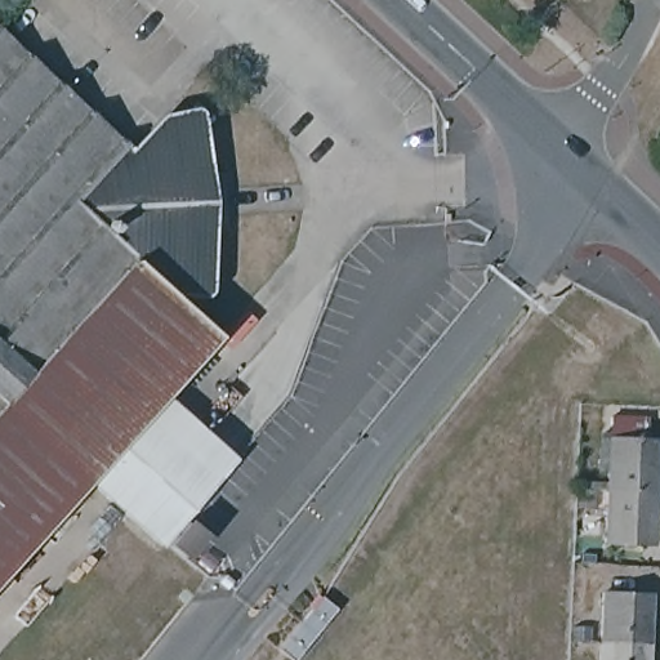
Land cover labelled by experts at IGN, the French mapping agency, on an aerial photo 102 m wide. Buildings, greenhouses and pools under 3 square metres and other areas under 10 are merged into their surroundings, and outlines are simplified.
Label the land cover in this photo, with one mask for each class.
<instances>
[{"label":"impervious surface","instance_id":"1","mask_svg":"<svg viewBox=\"0 0 660 660\"><path fill-rule=\"evenodd\" d=\"M660 21V0H634V21H624L614 46L608 62L588 67V62L575 52V46L567 39H562L554 28H547L541 31V36L552 41L575 64V70L557 77H547L529 67L523 57H518L503 41L505 36L498 34L492 23H487L464 0H34L31 8L23 13V21L10 18L0 10V23L10 36L21 41L23 49L41 59L67 88H72L129 142H139L150 131V124L162 129L165 121L178 119V103L186 95H193L191 85L196 72L201 70L209 59H214L217 64L229 62L235 70H242L248 77L245 95L250 101L289 139L302 178L291 180L289 186L255 183L250 191H255L258 199L253 204H240V219L302 209V229L294 253L276 271L273 281L263 284V289L253 296L255 304L250 309V317L235 333L224 330L214 340V348L206 353V358L219 356V364L201 379L199 387L188 384L183 389L180 405L191 410L211 433H217L240 456V461L232 469V474L222 480V485L214 490L201 513L193 516L188 526L168 547L193 572L201 575V583L196 590L180 593L178 614L165 624L160 637L142 652L139 660H258L255 650L271 632L250 629V616H258V608H250V603L268 590L273 596H289L307 575H312L320 567V562L333 552L340 536L356 521L358 510L364 508L384 469L394 461L397 454L405 451L413 436L423 428L433 410L454 389V384L467 374V369L480 358V353L510 322L516 312L531 307L541 315H549L567 296L583 291L590 299H598L603 307L614 309L616 315L629 317L639 327H645L652 345L660 351V134L650 139L647 155L639 150L634 155L624 147L626 139L634 137L637 116L632 95L624 88V83L634 72L652 28ZM611 438H660V415L655 410L616 413L614 425L603 433L601 449L593 451L588 461L590 469L606 474L611 469ZM126 526L124 516V508L108 500L95 482L83 495V500L70 508L67 518L46 536V541L36 544L23 557V562L13 570L5 588L0 590V652L21 629H26L44 611V606L52 603L54 596H62L59 585L77 583L83 575L93 570L95 559H103V552L95 547L108 534V529L121 531ZM611 503V492L603 487L601 503L590 516L583 518L585 536L575 541V554H570L575 570H583L590 562L624 567H660V544L647 547L645 557H629V552H624L621 547L601 549L596 544L593 536L598 534V518L608 516Z\"/></svg>","mask_w":660,"mask_h":660},{"label":"herbaceous vegetation","instance_id":"2","mask_svg":"<svg viewBox=\"0 0 660 660\"><path fill-rule=\"evenodd\" d=\"M518 10H531L534 18L541 21L547 28H554L562 39H567L575 46V52L588 62V67L608 62L614 46L608 41H601L598 23L616 10V5L624 8V21H634V0H510ZM624 88L632 95L637 116L634 137L626 139L624 147L634 155L639 150L647 155L650 139L660 134V21L652 28L634 72L624 83ZM529 67L547 77H557L575 70V64L552 41L541 36L534 44L531 54L523 57ZM211 80L201 70L196 72L191 85L193 95H186L178 103V108L206 106L214 119L224 201L219 289L224 309L214 322L224 330L235 333L250 317V309L255 304L253 296L263 289V284L273 281L276 271L294 253L302 229V209L240 219V204H253L258 199L255 191H250L255 183L289 186L291 180L302 178L289 139L250 101L242 103V108L229 119L209 95ZM655 410L660 415V351L652 345L645 327H639L629 317L616 315L614 309L603 307L598 299H590L583 291L567 296L549 315H541L531 307L516 312L510 322L480 353V358L467 369V374L454 384V389L433 410L423 428L413 436L405 451L397 454L394 461L384 469L364 508L358 510L356 521L340 536L333 552L320 562V567L312 575H307L289 596H273L268 590L250 603V608H258V616H250V629L271 632L255 650L258 660H286L284 655H278V645L302 621L315 598L333 601L338 611L299 660H598V624L606 619L608 590L657 596L655 660H660V567H624L590 562L583 570H575L570 554H575V541L585 536L583 518L590 516L601 503L603 487L608 482L606 474L590 469L588 461L593 451L601 449L603 433L614 425L616 413ZM126 526L121 531L108 529V534L95 547L103 552V559H95L93 570L83 575L77 583L59 585L62 596H54L52 603L44 606V611L26 629H21L0 652V660H139L142 652L160 637L165 624L178 614L180 593L196 590L201 583V575L193 572L168 547L155 544L134 521L124 516Z\"/></svg>","mask_w":660,"mask_h":660},{"label":"building","instance_id":"3","mask_svg":"<svg viewBox=\"0 0 660 660\"><path fill-rule=\"evenodd\" d=\"M178 119L165 121L162 129L150 124V131L139 142H129L72 88H67L41 59L23 49L21 41L10 36L0 23V590L5 588L13 570L23 562V557L36 544L46 541V536L67 518L70 508L83 500V495L95 482L108 500L124 508V516L134 521L155 544L168 547L188 526L193 516L201 513L214 490L222 485V480L232 474V469L240 461V456L217 433H211L191 410L180 405L183 389L188 384L199 387L201 379L219 364V356L206 358V353L214 348V340L224 330L214 322L224 309L219 289L224 201L214 119L206 106L178 108ZM606 474L608 482L603 487L611 492V503L608 516L598 518V534L593 536L596 544L601 549L621 547L624 552H629V557H645L647 547L660 544V438H611V469ZM657 596L608 590L606 619L598 624V660H655ZM338 611L333 601L315 598L302 621L278 645V655H284L286 660H299Z\"/></svg>","mask_w":660,"mask_h":660},{"label":"deciduous trees","instance_id":"4","mask_svg":"<svg viewBox=\"0 0 660 660\"><path fill-rule=\"evenodd\" d=\"M34 0H0V10L10 18L23 21V13L31 8ZM487 23H492L498 34L505 36L503 41L518 57H523L531 54L534 44L541 36V31L547 28L541 21L534 18L531 10H518L510 0H464ZM624 8L616 5V10L598 23L601 41H608L614 46L624 21ZM201 70L211 80L209 95L229 119L242 108V103L250 101L245 95L248 77L242 70H235L229 62L217 64L214 59H209Z\"/></svg>","mask_w":660,"mask_h":660}]
</instances>
